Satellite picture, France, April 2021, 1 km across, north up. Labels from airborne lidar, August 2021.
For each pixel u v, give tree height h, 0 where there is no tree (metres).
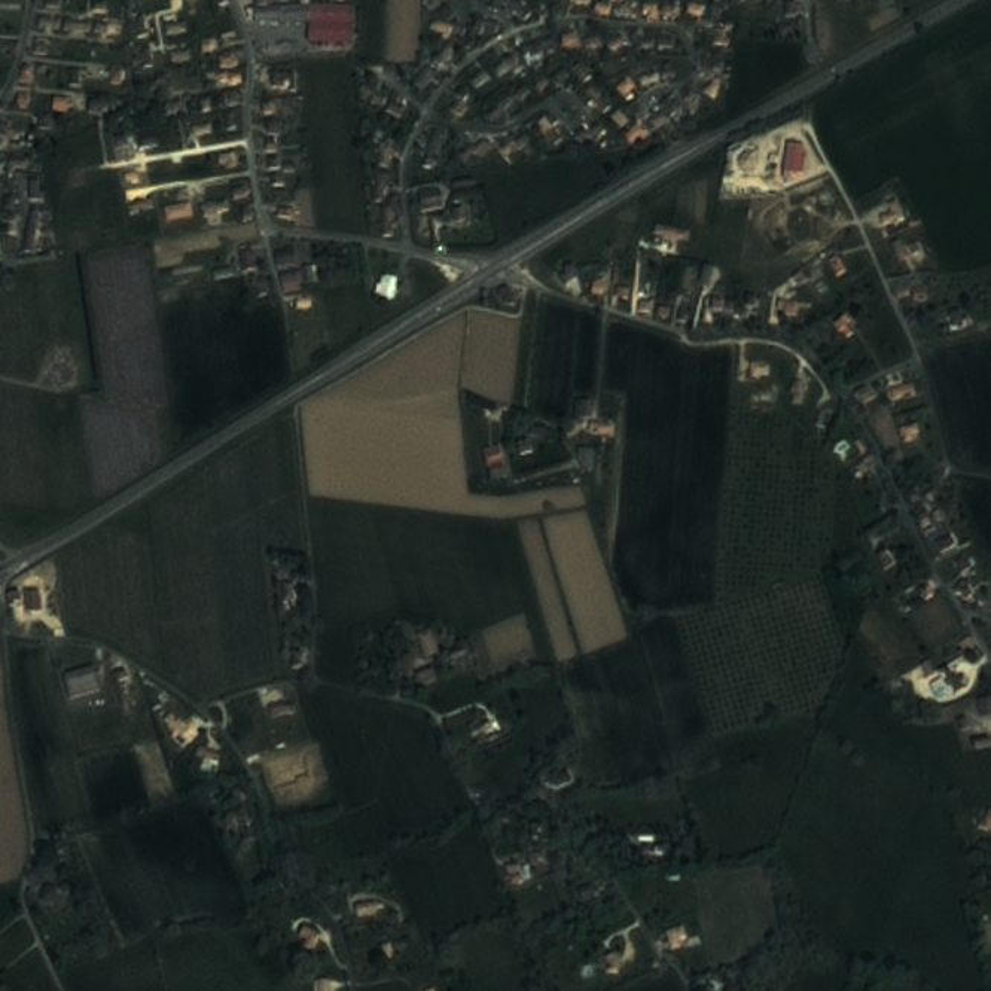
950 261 0
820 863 0
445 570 0
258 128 0
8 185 7
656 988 0
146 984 0
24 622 0
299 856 18
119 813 8
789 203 0
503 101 0
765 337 11
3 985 12
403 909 0
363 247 8
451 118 0
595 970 0
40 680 0
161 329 0
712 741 0
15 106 6
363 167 8
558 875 14
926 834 0
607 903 8
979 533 0
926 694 0
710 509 0
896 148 0
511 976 0
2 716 0
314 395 0
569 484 0
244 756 0
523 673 15
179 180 0
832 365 12
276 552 12
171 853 0
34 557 0
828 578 7
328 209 0
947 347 0
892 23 0
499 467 0
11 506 0
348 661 0
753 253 0
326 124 0
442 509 0
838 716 0
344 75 0
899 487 7
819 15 0
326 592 0
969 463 0
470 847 0
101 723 0
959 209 0
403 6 0
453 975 8
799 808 0
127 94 6
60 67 0
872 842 0
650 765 0
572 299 0
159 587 0
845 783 0
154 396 0
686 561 0
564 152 8
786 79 0
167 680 0
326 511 0
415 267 8
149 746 0
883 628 0
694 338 17
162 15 0
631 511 0
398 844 10
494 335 0
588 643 0
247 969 0
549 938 6
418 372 0
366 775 0
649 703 0
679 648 0
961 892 0
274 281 7
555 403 0
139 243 0
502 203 0
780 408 0
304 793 0
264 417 0
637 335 0
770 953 12
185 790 6
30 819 0
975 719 0
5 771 0
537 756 13
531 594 0
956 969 0
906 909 0
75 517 0
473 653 8
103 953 15
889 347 9
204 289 0
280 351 0
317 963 20
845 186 0
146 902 0
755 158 0
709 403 0
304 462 0
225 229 0
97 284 0
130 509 0
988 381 0
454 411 0
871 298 7
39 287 0
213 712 0
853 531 0
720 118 0
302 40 0
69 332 0
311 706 0
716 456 0
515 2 0
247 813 10
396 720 0
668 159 0
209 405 0
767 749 0
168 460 0
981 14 0
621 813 0
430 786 0
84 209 0
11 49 0
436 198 0
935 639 0
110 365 0
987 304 8
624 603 0
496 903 0
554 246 0
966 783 0
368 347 0
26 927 0
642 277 0
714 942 0
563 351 0
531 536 0
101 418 0
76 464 0
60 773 0
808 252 0
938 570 0
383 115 9
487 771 0
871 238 0
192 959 0
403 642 6
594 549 0
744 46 0
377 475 0
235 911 0
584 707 0
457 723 0
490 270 0
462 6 0
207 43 0
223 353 0
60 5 0
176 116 6
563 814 11
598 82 7
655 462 0
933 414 0
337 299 0
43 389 0
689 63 0
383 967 16
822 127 0
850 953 0
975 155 0
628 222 0
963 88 0
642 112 0
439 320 0
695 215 0
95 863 0
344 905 9
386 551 0
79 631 0
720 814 0
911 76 0
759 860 12
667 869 7
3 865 0
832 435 11
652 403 0
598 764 0
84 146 0
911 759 0
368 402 0
